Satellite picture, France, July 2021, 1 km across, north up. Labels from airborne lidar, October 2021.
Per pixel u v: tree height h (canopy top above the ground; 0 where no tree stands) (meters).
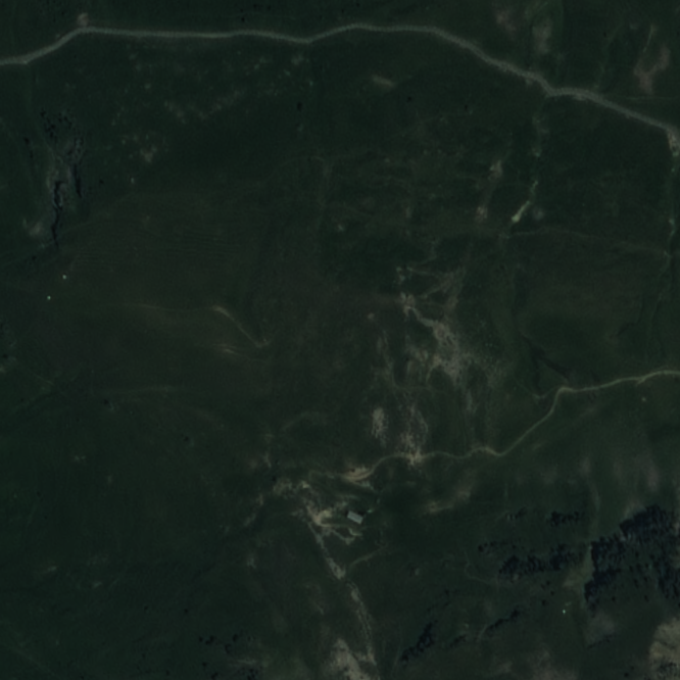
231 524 0
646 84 0
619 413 0
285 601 0
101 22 0
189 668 0
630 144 0
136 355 0
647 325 0
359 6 5
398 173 0
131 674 0
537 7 0
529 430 0
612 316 0
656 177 0
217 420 0
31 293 0
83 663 0
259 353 0
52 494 0
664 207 0
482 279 0
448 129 0
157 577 0
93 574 0
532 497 0
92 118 0
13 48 0
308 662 0
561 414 0
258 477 0
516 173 0
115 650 0
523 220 0
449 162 0
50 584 0
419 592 0
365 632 0
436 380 0
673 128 0
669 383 0
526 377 0
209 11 0
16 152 0
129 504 0
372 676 0
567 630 0
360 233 0
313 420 0
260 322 0
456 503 0
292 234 0
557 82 0
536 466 0
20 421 0
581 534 0
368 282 0
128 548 0
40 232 0
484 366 0
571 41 0
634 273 0
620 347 0
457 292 0
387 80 0
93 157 0
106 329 0
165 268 0
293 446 0
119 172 0
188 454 0
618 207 0
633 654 0
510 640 0
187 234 0
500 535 0
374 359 0
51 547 0
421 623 0
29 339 0
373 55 0
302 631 0
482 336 0
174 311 0
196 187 0
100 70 0
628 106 0
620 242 0
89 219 0
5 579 0
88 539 0
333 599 0
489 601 0
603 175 0
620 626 0
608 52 0
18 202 0
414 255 0
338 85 0
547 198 0
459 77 0
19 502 0
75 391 0
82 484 0
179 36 0
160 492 0
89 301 0
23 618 0
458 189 0
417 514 0
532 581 0
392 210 0
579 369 0
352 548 0
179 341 0
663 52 0
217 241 0
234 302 0
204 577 0
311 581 0
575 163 0
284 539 0
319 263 0
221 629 0
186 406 0
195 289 0
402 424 0
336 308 0
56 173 0
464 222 0
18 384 0
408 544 0
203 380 0
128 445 0
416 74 0
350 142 0
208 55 0
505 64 0
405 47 0
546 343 0
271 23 0
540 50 0
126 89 0
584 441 0
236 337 0
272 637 0
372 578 0
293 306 0
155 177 0
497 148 0
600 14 0
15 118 0
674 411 0
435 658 0
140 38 0
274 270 0
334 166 0
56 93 0
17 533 0
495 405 0
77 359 0
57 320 0
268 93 0
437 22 0
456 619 0
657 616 0
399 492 0
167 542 0
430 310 0
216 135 0
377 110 0
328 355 0
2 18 0
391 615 0
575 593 0
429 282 0
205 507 0
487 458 0
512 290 0
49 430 0
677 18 0
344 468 0
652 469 0
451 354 0
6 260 0
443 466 0
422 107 0
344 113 0
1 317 0
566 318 0
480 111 0
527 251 0
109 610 0
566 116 0
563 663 0
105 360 0
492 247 0
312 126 0
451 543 0
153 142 0
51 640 0
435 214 0
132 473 0
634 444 0
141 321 0
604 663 0
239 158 0
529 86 0
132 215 0
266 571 0
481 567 0
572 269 0
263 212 0
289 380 0
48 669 0
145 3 0
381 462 0
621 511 0
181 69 0
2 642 0
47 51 0
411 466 0
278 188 0
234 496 0
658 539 10
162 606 0
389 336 0
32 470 0
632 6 0
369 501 0
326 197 0
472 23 0
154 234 0
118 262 0
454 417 0
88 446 0
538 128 0
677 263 0
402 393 0
